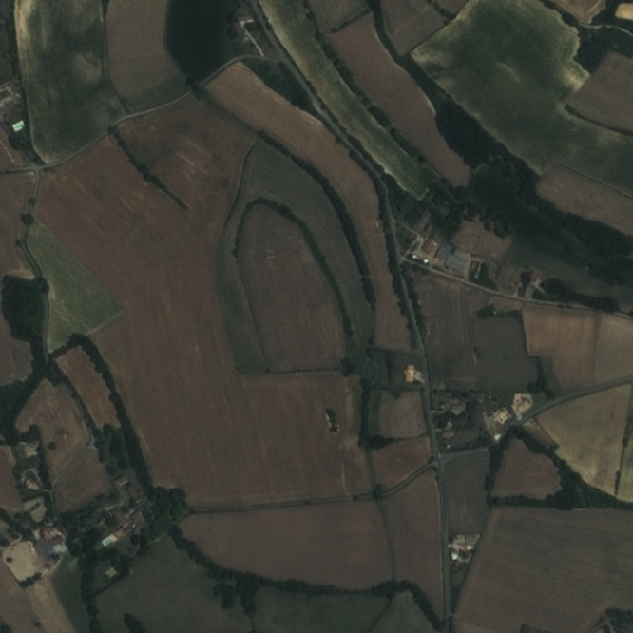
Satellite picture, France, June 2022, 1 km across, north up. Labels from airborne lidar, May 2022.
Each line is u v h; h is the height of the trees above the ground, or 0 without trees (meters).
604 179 0
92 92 0
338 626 0
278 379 0
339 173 0
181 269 0
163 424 0
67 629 0
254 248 0
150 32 0
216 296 0
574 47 0
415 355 0
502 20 0
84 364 0
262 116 0
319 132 0
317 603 0
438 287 0
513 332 0
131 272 0
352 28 0
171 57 0
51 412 0
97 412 0
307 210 0
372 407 0
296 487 0
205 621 0
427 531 0
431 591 0
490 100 0
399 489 0
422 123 0
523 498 15
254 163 0
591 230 14
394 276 10
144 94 0
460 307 0
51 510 8
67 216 0
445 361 0
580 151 0
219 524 0
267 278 0
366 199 0
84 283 0
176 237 0
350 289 0
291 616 0
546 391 7
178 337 0
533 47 0
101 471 0
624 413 0
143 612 0
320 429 0
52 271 0
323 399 0
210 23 0
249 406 0
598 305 16
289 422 0
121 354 0
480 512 0
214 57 0
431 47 0
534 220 0
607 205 0
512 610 0
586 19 0
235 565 0
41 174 0
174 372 0
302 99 7
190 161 0
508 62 0
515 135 0
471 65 0
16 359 0
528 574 0
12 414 10
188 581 0
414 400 0
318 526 0
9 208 0
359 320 0
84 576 12
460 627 0
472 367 0
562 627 0
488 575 0
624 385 0
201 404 0
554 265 0
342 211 26
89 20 0
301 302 0
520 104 0
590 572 0
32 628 0
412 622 0
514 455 0
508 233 18
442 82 0
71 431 0
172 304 0
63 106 0
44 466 14
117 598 0
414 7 0
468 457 0
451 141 19
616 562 0
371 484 0
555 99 0
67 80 0
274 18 0
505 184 0
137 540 14
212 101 0
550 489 0
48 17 0
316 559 0
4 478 0
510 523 0
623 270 0
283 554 0
